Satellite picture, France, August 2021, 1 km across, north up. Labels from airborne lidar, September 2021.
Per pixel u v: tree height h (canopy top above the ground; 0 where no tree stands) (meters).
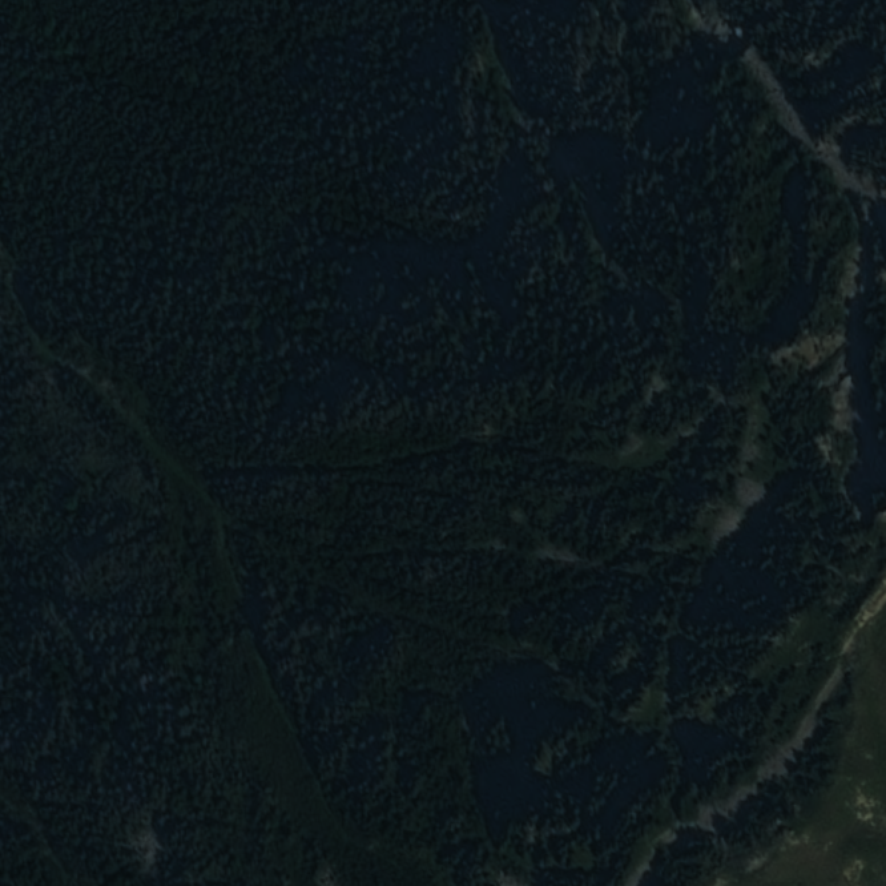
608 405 14
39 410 12
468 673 9
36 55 19
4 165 29
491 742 15
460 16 28
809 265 16
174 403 22
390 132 17
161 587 19
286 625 9
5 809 8
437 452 8
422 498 13
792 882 0
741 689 13
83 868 8
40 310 12
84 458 6
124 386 7
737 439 8
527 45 12
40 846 8
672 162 20
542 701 9
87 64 30
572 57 24
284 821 9
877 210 0
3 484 9
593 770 11
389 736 24
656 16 23
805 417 9
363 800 15
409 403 27
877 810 0
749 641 15
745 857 0
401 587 11
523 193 12
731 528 0
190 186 25
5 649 14
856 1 16
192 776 14
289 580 9
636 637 8
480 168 29
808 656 0
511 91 0
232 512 13
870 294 12
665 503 15
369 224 19
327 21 22
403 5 19
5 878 17
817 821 0
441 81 23
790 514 9
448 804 8
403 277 18
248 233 10
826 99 11
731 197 7
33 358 10
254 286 17
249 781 6
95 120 25
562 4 13
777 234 9
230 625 13
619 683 7
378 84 26
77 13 25
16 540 7
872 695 0
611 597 8
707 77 9
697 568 13
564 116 22
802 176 7
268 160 18
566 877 8
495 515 8
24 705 20
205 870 10
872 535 8
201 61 22
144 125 20
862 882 0
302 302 7
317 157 25
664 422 15
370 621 12
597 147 16
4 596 14
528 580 11
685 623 14
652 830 8
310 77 19
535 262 11
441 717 7
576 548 12
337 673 6
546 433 10
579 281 9
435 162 29
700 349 6
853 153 21
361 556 8
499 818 28
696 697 15
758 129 19
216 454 24
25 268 13
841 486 11
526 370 15
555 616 11
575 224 8
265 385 19
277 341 15
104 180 18
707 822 0
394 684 7
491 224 26
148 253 11
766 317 7
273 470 7
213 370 11
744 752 8
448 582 11
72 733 33
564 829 14
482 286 7
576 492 16
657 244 9
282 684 6
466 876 21
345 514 11
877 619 0
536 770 11
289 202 19
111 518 24
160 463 12
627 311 21
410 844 7
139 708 26
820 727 0
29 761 35
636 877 0
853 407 0
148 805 23
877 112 20
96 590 10
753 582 11
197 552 11
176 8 23
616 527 17
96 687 20
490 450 7
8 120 21
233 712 10
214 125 15
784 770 0
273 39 26
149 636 22
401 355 27
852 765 0
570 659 13
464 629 9
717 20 0
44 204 24
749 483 0
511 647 0
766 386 0
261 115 20
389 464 7
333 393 20
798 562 10
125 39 24
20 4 21
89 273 24
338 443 13
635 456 0
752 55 0
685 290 6
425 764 7
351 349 22
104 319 19
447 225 23
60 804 22
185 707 20
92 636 41
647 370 16
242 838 6
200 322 13
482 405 16
